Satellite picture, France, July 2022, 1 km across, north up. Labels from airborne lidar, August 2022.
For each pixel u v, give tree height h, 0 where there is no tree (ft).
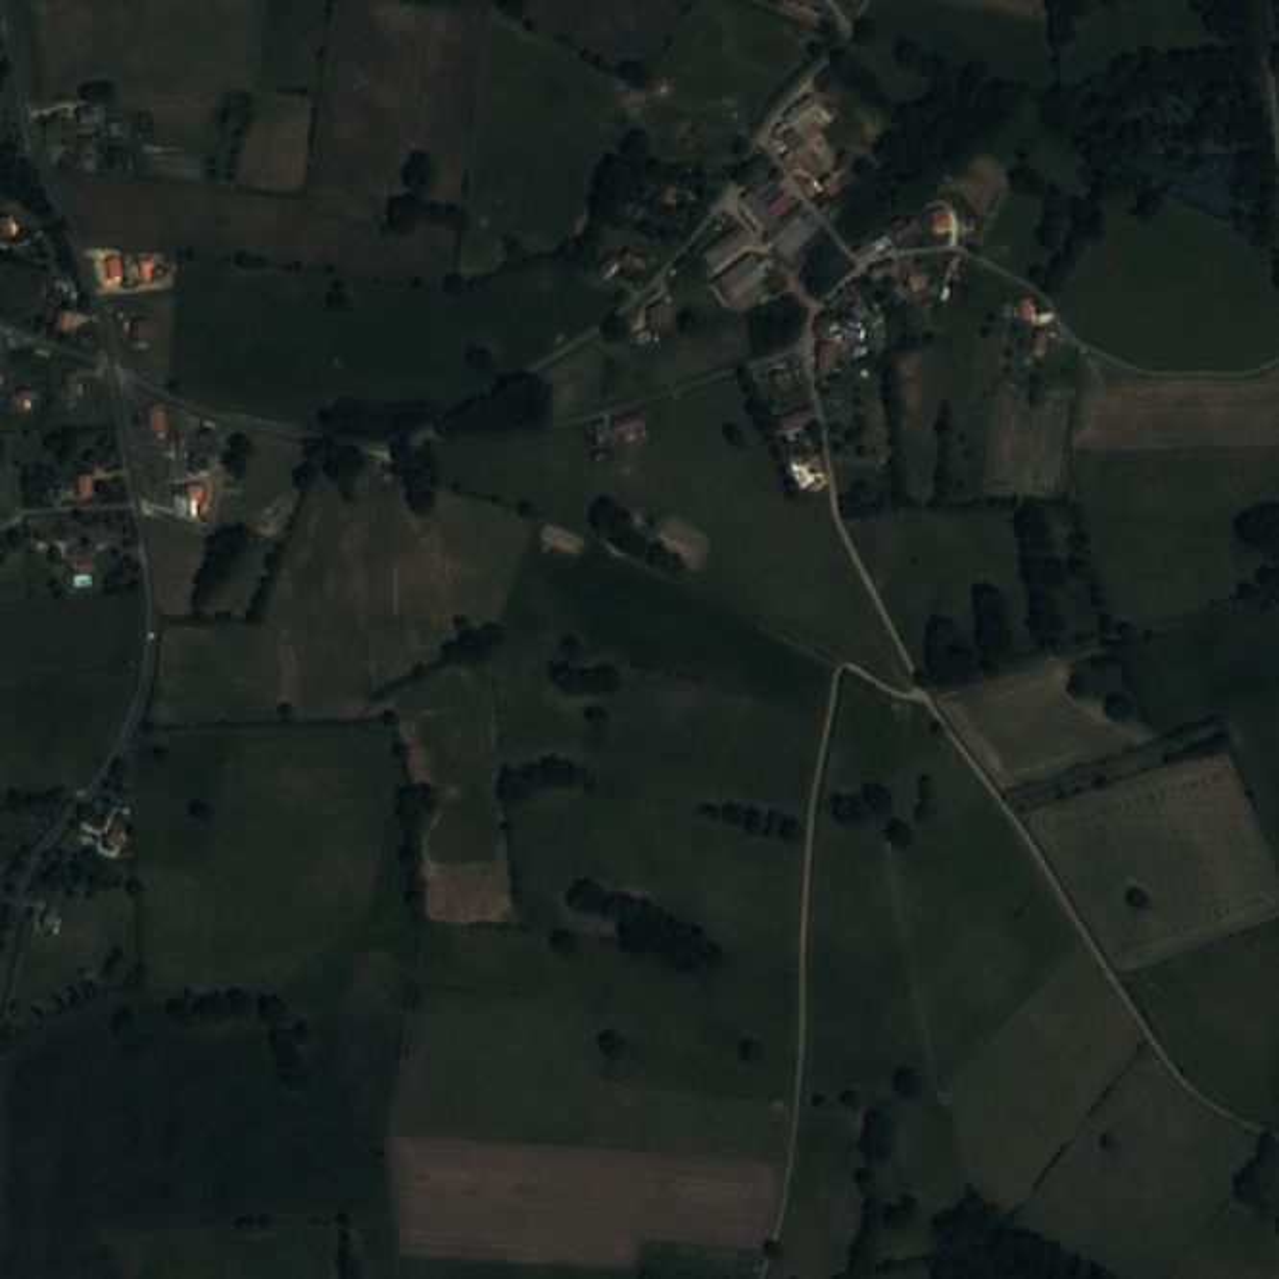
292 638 0
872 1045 0
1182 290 0
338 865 0
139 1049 78
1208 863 0
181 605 0
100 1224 0
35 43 0
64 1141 0
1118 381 0
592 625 0
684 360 0
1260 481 0
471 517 0
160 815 0
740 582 0
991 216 0
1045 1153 0
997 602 73
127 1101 0
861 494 39
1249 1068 0
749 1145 0
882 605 0
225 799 0
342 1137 0
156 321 0
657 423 0
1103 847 0
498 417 42
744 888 0
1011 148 0
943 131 56
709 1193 0
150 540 0
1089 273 0
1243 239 28
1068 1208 0
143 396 0
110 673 0
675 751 0
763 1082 0
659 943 50
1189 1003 0
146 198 0
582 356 0
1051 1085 0
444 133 0
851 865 0
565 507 0
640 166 67
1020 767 0
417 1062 0
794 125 0
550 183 0
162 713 0
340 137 0
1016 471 0
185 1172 0
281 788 0
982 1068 0
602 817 0
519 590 0
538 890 0
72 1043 0
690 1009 0
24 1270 0
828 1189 0
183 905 0
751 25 0
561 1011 0
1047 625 73
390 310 0
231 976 0
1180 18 0
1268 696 0
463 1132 0
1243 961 0
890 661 0
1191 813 0
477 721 0
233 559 38
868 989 0
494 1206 0
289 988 0
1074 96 55
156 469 0
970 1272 63
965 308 0
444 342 0
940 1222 20
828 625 0
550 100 0
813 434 39
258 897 0
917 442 0
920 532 0
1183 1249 0
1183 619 0
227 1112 0
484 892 0
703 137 0
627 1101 0
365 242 0
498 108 0
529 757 0
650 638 0
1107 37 0
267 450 0
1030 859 0
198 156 0
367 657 0
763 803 0
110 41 0
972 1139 0
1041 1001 0
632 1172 0
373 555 0
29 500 22
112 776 23
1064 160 0
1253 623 0
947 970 0
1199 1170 0
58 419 0
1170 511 0
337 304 47
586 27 0
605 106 0
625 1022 0
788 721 0
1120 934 0
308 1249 0
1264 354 0
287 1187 0
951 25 0
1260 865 0
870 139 0
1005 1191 0
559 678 64
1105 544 0
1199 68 70
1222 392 0
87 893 22
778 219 0
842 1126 0
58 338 40
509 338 0
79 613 0
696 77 0
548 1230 0
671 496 0
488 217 0
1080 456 0
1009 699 0
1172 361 0
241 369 0
